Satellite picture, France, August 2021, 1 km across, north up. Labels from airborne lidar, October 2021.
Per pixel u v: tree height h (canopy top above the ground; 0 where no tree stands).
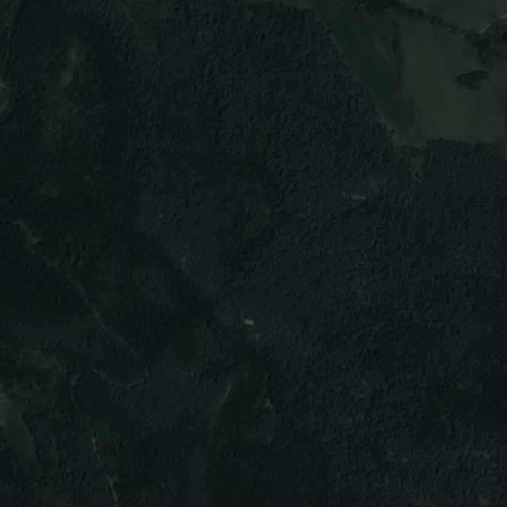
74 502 8
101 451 9
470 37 6
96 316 6
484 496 5
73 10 15
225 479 12
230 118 17
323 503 15
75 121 10
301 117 14
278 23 11
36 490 15
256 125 12
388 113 0
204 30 14
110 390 13
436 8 0
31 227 12
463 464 11
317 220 13
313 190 14
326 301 17
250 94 16
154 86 14
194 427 17
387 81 0
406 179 13
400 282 15
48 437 19
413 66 0
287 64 13
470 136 0
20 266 22
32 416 7
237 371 9
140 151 16
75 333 10
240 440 16
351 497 12
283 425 18
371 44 0
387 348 16
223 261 19
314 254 17
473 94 0
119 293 12
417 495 11
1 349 7
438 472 16
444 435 11
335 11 0
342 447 18
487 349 18
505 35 12
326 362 8
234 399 20
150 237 13
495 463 16
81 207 10
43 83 11
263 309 13
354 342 19
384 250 16
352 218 18
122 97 19
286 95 17
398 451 12
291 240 10
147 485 18
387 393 11
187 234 15
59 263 15
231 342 15
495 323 19
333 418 10
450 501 16
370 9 11
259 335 7
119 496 9
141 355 15
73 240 17
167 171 15
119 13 7
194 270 11
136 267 14
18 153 19
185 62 12
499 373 7
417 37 0
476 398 12
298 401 15
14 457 14
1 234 18
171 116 18
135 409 14
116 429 14
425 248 11
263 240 18
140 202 12
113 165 18
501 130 0
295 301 17
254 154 13
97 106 10
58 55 8
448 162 10
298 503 12
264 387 15
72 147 9
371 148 14
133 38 15
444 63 0
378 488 12
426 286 13
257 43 11
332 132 15
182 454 16
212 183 16
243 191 15
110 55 18
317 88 12
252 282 16
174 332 15
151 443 19
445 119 0
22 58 13
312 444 17
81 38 9
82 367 14
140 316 19
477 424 14
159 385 9
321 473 19
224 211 12
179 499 13
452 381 9
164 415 13
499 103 0
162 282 11
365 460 8
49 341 10
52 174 15
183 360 12
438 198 16
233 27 9
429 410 10
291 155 19
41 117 11
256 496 16
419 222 14
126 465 13
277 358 11
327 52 12
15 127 19
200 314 20
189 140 18
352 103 14
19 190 17
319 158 17
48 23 24
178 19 14
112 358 11
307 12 11
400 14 0
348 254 11
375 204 14
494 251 14
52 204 18
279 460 23
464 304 16
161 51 13
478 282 12
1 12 17
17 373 9
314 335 11
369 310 12
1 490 20
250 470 19
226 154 15
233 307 9
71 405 13
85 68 7
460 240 11
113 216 12
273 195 14
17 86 12
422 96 0
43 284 18
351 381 12
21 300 14
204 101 14
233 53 7
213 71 12
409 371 9
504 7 0
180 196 17
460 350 7
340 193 8
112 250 17
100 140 8
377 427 14
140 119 14
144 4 9
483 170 14
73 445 16
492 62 8
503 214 14
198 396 13
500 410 13
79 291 14
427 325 15
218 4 9
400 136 0
